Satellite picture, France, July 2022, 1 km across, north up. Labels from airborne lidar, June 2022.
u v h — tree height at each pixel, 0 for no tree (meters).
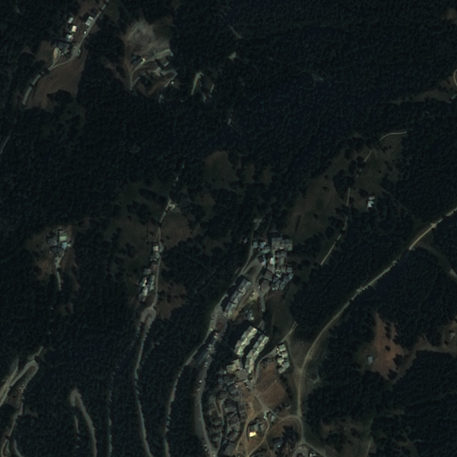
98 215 9
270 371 0
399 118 13
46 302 18
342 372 16
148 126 22
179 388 10
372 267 23
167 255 11
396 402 25
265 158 14
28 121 14
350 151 14
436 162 27
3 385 0
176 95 13
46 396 26
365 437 0
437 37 11
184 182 17
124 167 23
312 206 0
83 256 18
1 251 21
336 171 0
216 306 0
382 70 29
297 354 0
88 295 12
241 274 0
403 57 17
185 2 18
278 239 0
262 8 24
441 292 22
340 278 26
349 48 35
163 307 0
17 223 22
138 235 0
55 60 0
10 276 30
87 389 28
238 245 10
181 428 29
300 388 0
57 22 7
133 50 0
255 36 16
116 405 23
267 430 0
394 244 21
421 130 29
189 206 20
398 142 0
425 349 0
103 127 21
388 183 18
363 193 14
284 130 33
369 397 20
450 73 9
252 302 0
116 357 28
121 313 26
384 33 13
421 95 8
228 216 19
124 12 20
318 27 15
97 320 21
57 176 22
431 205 19
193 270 25
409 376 14
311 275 0
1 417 24
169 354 23
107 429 9
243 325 0
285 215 15
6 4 19
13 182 27
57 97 13
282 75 16
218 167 0
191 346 10
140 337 13
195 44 14
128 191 0
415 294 29
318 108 33
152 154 27
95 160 24
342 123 27
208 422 8
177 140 40
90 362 33
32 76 14
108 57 21
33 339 25
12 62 22
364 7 14
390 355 0
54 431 28
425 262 31
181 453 31
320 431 7
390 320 22
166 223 0
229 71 17
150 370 22
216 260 19
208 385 6
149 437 7
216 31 18
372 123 19
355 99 28
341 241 8
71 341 34
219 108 17
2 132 19
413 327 24
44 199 22
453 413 28
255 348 0
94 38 17
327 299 25
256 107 38
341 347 19
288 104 33
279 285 0
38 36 11
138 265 0
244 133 16
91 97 18
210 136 19
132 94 15
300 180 33
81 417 9
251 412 0
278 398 0
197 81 0
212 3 22
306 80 24
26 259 25
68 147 32
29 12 21
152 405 28
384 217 15
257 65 27
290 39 23
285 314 0
